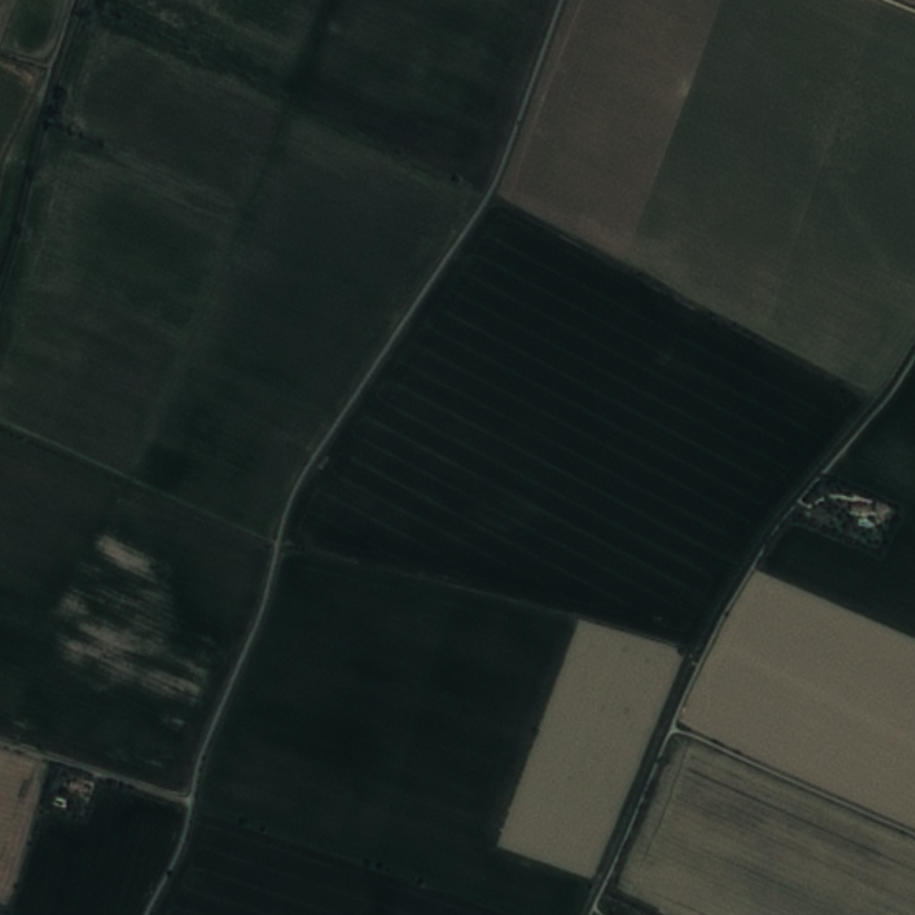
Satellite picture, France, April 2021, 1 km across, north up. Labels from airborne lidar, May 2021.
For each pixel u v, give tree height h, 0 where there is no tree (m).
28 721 0
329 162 0
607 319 0
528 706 0
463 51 0
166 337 0
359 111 0
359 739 0
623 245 0
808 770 0
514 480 0
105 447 0
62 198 0
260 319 0
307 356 0
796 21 0
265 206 0
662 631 0
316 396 0
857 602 0
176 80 0
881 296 0
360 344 0
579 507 0
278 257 0
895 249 0
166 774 0
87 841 0
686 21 0
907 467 0
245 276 0
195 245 0
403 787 0
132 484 0
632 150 0
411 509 0
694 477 0
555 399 0
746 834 0
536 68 0
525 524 0
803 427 0
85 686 0
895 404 0
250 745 0
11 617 0
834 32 0
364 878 0
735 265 0
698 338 0
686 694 0
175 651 0
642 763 0
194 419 0
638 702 0
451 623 0
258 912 0
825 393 0
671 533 0
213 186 0
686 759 0
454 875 0
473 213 0
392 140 0
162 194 0
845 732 0
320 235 0
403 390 0
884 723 0
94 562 0
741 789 0
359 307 0
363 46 0
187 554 0
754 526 0
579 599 0
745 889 0
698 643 0
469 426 0
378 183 0
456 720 0
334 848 0
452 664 0
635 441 0
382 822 0
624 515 0
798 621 0
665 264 0
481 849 0
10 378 0
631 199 0
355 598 0
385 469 0
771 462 0
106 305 0
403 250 0
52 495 0
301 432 0
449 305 0
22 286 0
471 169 0
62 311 0
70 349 0
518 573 0
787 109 0
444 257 0
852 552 0
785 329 0
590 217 0
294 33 0
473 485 0
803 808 0
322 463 0
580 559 0
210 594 0
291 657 0
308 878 0
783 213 0
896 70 0
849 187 0
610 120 0
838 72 0
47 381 0
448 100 0
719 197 0
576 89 0
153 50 0
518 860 0
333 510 0
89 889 0
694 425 0
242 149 0
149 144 0
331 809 0
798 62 0
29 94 0
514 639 0
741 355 0
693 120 0
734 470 0
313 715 0
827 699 0
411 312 0
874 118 0
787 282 0
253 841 0
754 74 0
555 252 0
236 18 0
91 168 0
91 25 20
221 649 0
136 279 0
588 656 0
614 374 0
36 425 0
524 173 0
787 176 0
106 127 0
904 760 0
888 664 0
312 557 0
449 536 0
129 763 0
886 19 0
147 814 0
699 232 0
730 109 0
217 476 0
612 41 0
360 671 0
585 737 0
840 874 0
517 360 0
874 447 0
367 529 0
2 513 0
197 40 0
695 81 0
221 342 0
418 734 0
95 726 0
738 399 0
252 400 0
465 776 0
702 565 0
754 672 0
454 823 0
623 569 0
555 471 0
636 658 0
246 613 0
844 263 0
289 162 0
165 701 0
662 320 0
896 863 0
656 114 0
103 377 0
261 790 0
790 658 0
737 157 0
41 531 0
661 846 0
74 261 0
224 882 0
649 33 0
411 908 0
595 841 0
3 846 0
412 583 0
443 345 0
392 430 0
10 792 0
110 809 0
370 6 0
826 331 0
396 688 0
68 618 0
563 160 0
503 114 0
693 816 0
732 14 0
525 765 0
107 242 0
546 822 0
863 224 0
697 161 0
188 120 0
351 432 0
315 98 0
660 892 0
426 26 0
